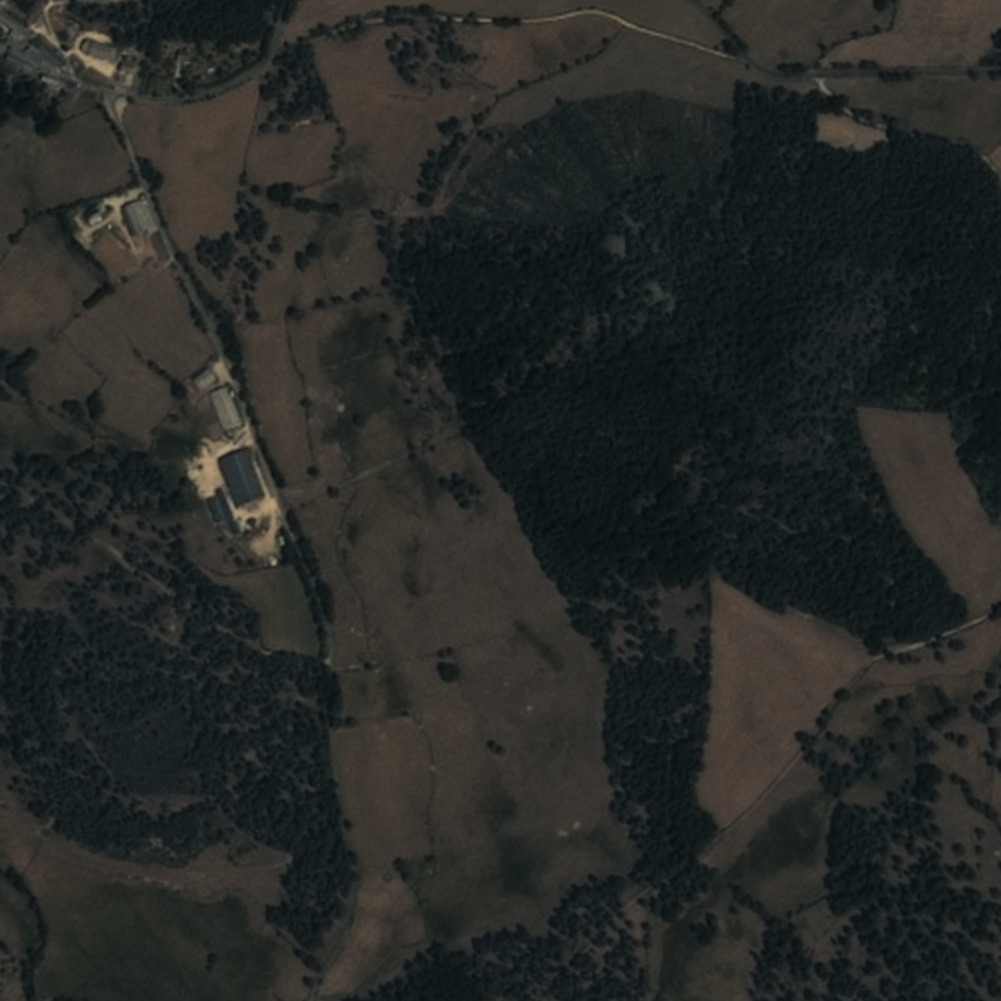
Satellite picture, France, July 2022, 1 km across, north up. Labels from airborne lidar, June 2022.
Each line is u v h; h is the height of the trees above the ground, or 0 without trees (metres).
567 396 20
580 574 20
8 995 0
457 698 0
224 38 10
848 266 6
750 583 15
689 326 12
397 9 15
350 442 0
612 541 16
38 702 17
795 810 0
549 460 13
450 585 0
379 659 0
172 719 0
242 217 14
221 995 0
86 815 18
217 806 10
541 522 15
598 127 0
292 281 0
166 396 0
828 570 22
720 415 11
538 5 0
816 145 9
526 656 0
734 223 17
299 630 0
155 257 0
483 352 10
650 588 10
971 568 0
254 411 9
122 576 17
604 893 17
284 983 0
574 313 5
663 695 11
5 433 0
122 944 0
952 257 16
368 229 0
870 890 16
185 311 0
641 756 20
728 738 0
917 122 0
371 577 0
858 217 15
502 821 0
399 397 0
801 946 9
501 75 0
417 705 0
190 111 0
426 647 0
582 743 0
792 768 0
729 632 0
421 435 0
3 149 0
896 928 19
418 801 0
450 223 18
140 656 12
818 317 13
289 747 11
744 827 0
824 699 0
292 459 0
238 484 0
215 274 8
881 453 0
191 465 0
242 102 0
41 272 0
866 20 0
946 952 24
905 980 13
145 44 13
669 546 18
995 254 18
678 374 17
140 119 0
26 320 0
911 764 0
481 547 0
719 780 0
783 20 0
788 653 0
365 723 0
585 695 0
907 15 0
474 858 0
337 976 0
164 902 0
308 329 0
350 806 0
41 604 0
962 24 0
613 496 19
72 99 0
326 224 0
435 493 0
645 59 0
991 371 18
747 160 18
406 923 0
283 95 8
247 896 0
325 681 18
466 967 19
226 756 14
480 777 0
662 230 10
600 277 13
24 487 10
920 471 0
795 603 12
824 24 0
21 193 0
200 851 0
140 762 0
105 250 0
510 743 0
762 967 11
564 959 19
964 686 0
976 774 0
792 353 15
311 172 0
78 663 15
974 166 23
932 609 18
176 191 0
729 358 11
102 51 0
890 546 14
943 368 18
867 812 16
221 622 18
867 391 10
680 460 13
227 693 16
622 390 14
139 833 9
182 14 17
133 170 9
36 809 12
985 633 0
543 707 0
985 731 0
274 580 0
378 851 0
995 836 0
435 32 9
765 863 0
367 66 0
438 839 0
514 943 23
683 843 18
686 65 0
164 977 0
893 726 14
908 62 0
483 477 0
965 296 18
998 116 0
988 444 16
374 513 0
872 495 12
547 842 0
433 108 0
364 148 0
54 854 0
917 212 17
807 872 0
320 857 22
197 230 0
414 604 0
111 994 0
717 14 9
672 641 13
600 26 0
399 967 0
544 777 0
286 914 23
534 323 13
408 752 0
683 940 0
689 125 0
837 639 0
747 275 16
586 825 0
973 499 0
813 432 8
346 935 0
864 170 19
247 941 0
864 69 10
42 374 0
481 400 11
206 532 0
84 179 0
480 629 0
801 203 15
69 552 7
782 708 0
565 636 0
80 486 15
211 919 0
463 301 17
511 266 13
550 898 0
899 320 17
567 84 0
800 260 16
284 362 0
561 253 13
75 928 0
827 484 12
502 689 0
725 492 14
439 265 17
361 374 0
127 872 0
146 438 0
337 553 0
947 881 16
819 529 16
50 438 0
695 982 0
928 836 18
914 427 0
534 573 0
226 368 0
